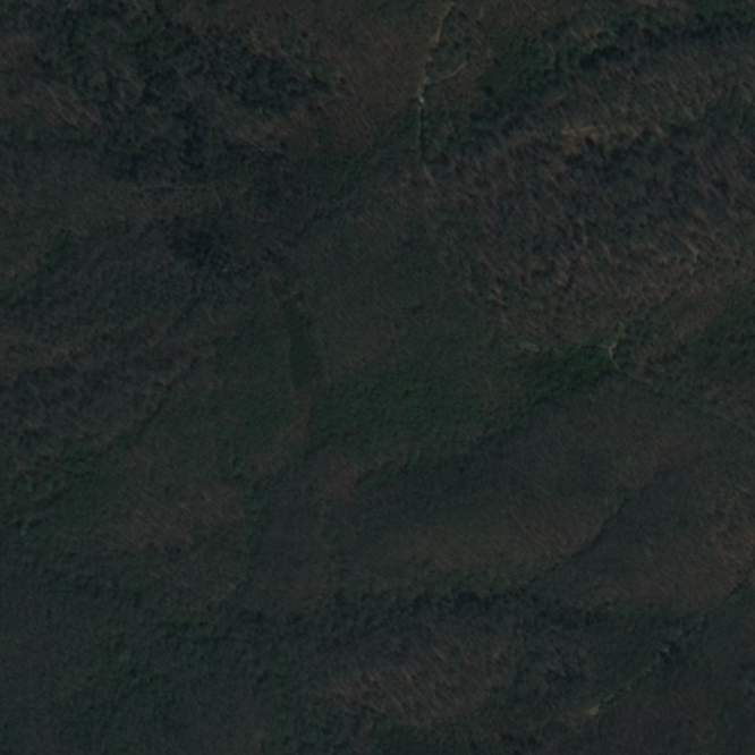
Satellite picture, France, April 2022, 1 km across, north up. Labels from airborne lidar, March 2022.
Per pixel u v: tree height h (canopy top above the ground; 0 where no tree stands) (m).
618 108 23
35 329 16
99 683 17
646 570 18
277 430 20
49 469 22
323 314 23
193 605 16
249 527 17
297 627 24
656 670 11
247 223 9
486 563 19
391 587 21
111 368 18
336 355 22
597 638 6
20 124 27
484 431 19
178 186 22
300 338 7
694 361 29
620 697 8
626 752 10
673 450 18
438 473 14
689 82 24
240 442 18
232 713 19
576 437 18
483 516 19
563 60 18
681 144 33
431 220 20
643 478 20
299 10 13
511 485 14
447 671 25
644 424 16
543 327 23
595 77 26
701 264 11
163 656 17
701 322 6
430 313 25
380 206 21
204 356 24
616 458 17
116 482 22
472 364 20
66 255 22
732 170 29
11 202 19
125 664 10
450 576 18
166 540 25
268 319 20
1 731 21
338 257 18
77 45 24
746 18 22
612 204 24
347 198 19
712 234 28
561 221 25
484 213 25
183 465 20
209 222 10
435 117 18
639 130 26
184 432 24
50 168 25
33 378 30
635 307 17
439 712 28
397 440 19
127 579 18
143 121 28
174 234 13
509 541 22
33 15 22
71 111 27
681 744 13
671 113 24
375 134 10
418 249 21
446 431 20
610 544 21
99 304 15
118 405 27
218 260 18
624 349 22
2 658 19
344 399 19
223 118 25
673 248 24
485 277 22
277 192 11
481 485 14
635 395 19
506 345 19
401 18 17
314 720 23
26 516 24
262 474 23
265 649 24
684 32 29
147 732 21
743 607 19
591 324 21
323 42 17
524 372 18
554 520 17
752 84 23
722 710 15
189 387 19
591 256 23
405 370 19
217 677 19
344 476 15
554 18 9
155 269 10
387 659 17
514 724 7
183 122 26
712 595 17
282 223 10
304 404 20
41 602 17
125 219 24
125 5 7
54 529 22
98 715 22
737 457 17
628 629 9
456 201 25
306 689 27
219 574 15
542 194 26
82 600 21
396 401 21
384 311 19
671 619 16
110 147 21
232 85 25
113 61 29
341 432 21
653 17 24
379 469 20
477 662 22
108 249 16
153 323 11
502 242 25
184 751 22
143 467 22
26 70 13
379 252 20
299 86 24
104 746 20
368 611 21
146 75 15
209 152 29
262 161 8
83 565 16
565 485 17
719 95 24
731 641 22
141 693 21
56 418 28
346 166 10
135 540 19
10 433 25
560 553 20
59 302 11
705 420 19
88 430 24
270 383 22
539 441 24
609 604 15
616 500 19
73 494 19
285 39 23
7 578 17
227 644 18
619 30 22
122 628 21
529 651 17
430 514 16
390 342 21
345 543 17
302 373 7
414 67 18
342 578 17
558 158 31
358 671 21
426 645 24
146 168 28
